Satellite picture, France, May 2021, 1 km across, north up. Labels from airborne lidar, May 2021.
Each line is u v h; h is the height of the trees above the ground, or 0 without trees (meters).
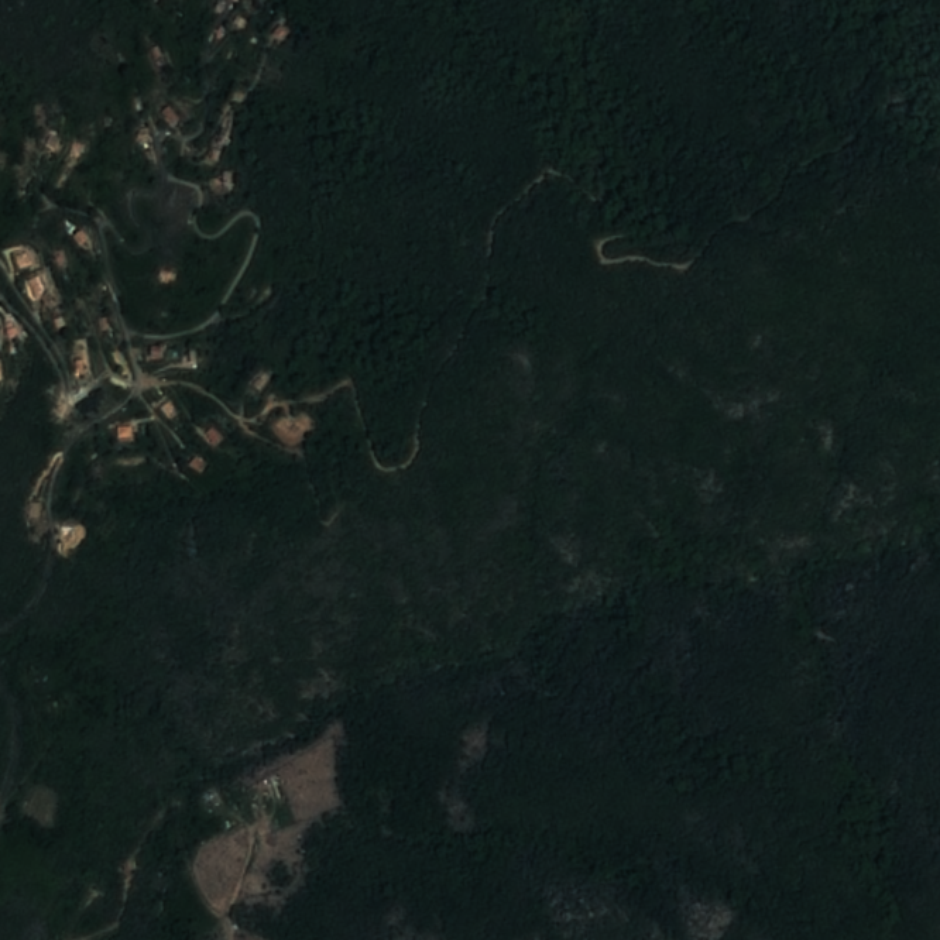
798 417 6
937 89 16
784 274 7
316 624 6
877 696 6
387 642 6
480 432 7
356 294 15
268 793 0
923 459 8
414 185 10
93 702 9
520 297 8
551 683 10
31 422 6
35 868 0
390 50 6
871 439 9
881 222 8
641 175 12
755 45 8
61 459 0
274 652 7
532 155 8
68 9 7
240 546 6
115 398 0
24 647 14
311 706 9
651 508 6
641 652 7
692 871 11
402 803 10
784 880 8
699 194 9
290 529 8
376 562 8
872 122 11
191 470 7
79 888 10
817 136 10
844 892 9
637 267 6
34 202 13
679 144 9
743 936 6
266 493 8
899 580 7
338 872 7
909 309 9
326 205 7
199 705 7
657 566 13
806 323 6
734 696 6
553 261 7
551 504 8
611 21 6
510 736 7
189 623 6
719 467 8
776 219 8
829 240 5
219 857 0
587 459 6
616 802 8
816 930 10
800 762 7
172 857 10
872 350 7
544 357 5
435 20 10
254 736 8
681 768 9
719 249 8
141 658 9
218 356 13
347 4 7
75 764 6
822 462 6
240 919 6
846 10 17
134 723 7
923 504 14
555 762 7
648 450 7
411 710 6
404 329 17
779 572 7
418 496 6
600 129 12
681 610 7
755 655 6
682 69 8
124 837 6
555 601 8
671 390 7
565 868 7
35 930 0
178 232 0
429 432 7
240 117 7
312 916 8
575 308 6
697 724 7
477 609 6
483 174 6
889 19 19
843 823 9
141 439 7
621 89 7
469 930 5
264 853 0
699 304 6
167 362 0
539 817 6
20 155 6
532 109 11
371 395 6
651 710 8
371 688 9
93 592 7
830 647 8
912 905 6
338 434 8
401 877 8
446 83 9
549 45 14
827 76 10
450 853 9
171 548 6
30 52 6
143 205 0
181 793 7
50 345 6
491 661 10
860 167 5
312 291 11
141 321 0
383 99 7
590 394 8
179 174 7
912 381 7
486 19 8
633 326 6
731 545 7
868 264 8
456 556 7
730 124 7
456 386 7
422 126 7
